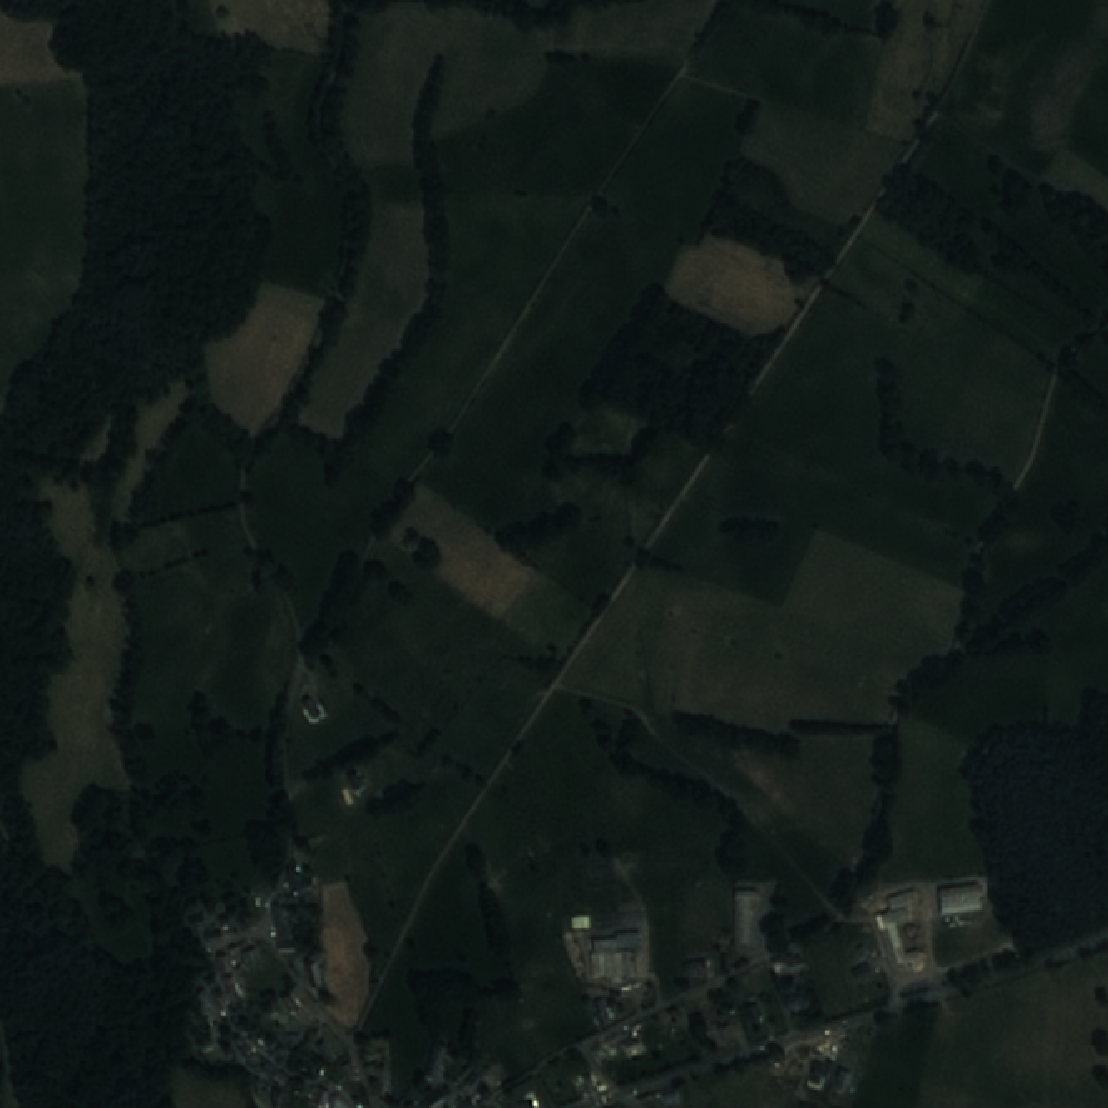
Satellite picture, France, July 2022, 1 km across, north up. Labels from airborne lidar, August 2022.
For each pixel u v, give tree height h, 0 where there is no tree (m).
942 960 0
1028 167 0
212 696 0
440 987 27
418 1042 0
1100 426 0
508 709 0
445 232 22
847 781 0
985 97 0
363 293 0
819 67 0
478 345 0
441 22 0
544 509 0
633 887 0
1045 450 0
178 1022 20
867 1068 0
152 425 0
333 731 0
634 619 0
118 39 23
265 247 19
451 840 0
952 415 0
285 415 13
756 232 16
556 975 0
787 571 0
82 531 0
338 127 19
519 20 19
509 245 0
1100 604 0
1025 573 0
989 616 0
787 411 0
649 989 7
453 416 0
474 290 0
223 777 0
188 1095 0
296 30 0
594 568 0
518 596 0
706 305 0
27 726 22
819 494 0
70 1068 24
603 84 0
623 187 0
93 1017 23
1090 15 0
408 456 0
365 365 0
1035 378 0
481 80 0
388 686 0
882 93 0
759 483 0
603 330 0
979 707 0
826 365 0
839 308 0
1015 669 0
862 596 0
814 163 0
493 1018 0
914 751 0
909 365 0
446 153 0
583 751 0
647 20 0
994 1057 0
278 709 14
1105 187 0
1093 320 12
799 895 0
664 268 0
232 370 0
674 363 0
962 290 0
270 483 0
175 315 27
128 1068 21
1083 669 0
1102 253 6
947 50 0
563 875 0
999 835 19
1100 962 0
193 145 30
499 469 0
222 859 0
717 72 0
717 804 17
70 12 15
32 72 0
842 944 0
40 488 0
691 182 0
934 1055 0
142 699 0
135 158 30
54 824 0
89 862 22
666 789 15
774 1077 0
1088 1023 0
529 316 0
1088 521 0
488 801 0
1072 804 20
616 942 0
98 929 0
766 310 0
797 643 0
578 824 0
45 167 0
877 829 16
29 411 17
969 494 0
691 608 0
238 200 31
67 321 15
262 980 0
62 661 23
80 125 0
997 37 0
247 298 22
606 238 0
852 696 0
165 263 29
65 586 24
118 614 0
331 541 0
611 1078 0
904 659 0
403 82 0
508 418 0
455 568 0
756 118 13
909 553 0
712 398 32
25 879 22
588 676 0
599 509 0
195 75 25
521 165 0
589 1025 0
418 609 0
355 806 0
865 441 0
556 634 0
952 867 0
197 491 0
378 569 17
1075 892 23
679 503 0
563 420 0
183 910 8
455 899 0
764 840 0
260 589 15
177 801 25
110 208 20
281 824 24
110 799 18
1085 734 19
